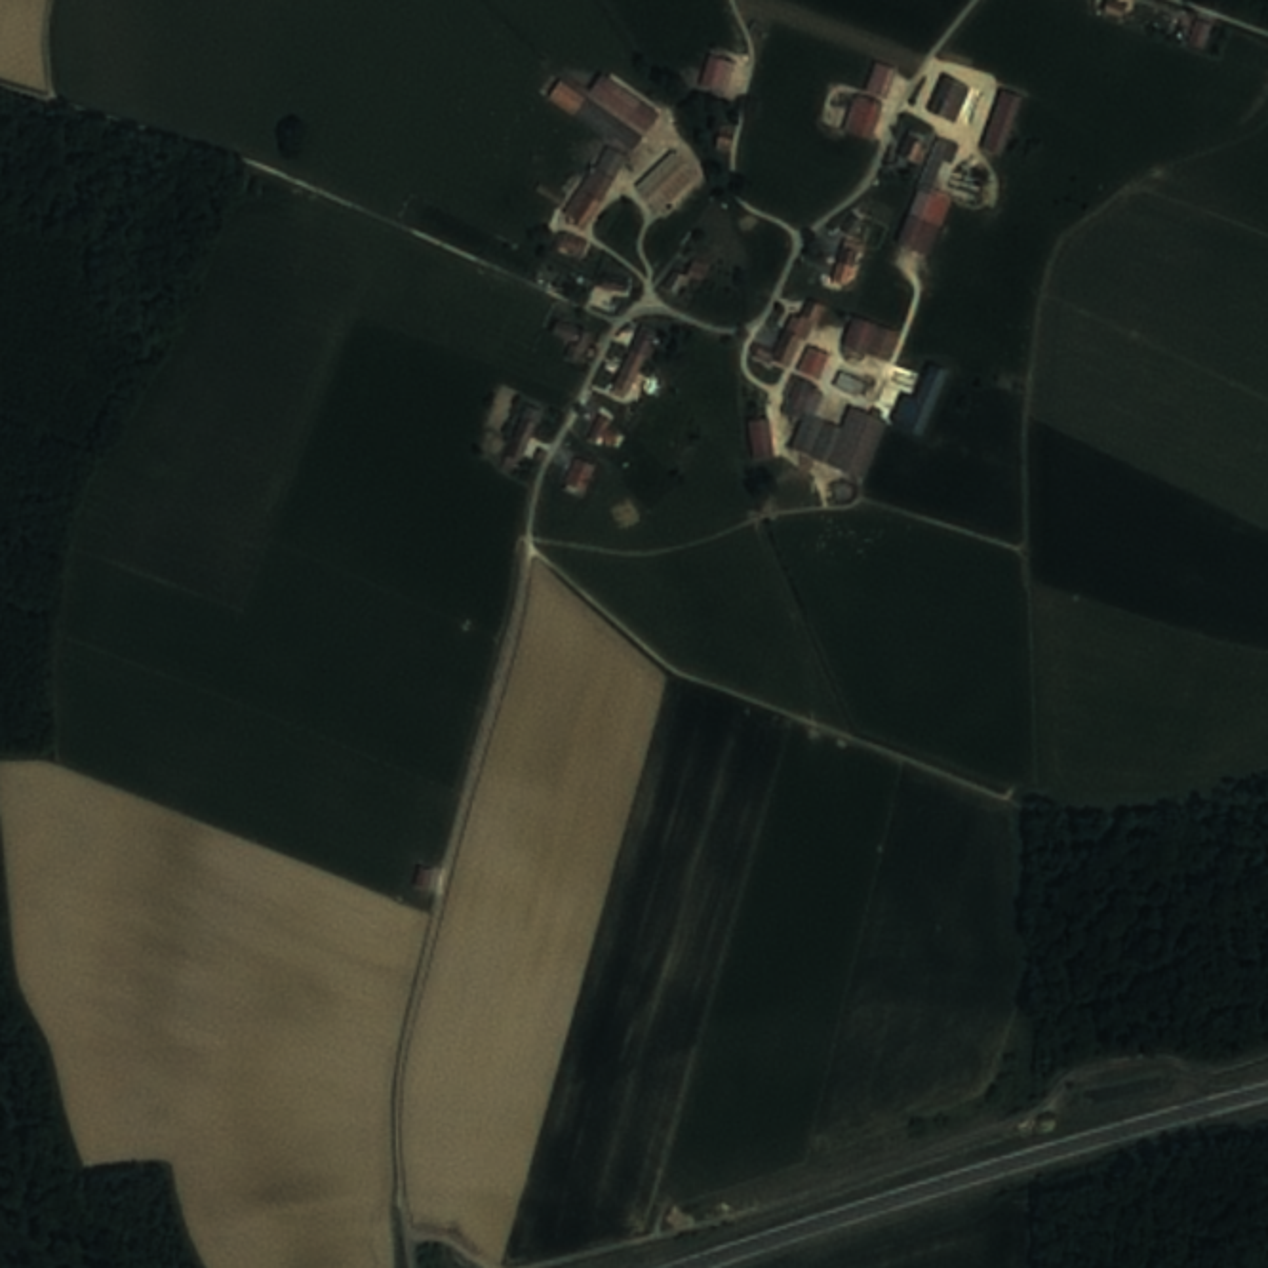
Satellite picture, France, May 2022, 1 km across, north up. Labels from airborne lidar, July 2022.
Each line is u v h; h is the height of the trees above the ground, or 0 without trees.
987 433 0
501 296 0
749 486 9
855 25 0
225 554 0
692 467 0
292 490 0
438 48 0
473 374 0
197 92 0
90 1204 19
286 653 0
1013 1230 0
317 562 0
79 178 6
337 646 0
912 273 0
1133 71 0
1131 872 20
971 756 0
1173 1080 0
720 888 0
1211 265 0
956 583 0
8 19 0
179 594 0
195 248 22
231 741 0
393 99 0
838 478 0
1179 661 0
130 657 0
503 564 0
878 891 0
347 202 0
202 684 0
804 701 0
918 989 0
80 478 22
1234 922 15
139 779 0
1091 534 0
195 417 0
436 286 0
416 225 0
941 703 0
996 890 0
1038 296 0
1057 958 25
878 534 0
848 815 0
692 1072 0
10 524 23
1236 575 0
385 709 0
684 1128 0
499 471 0
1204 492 0
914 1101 0
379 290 0
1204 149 0
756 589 0
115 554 0
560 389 0
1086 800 0
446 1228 0
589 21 0
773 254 0
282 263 0
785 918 0
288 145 16
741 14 0
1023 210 0
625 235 0
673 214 0
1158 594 0
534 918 0
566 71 0
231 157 13
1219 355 0
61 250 12
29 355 9
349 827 0
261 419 0
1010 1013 0
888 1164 0
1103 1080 0
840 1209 0
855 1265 0
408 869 0
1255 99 0
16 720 22
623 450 0
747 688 0
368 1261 0
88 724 0
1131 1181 23
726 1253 0
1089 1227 21
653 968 0
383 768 0
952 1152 0
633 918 0
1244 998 18
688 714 0
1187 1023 19
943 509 0
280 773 0
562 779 0
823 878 0
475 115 0
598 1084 0
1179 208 0
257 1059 0
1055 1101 0
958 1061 0
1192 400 0
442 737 0
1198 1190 26
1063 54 0
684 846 0
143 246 22
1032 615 0
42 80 0
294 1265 0
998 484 0
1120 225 0
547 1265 0
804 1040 0
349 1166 0
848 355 0
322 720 0
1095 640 0
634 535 0
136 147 23
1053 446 0
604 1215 0
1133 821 12
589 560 0
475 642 0
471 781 0
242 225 0
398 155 0
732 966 0
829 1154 0
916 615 0
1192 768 0
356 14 0
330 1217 0
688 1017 0
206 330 0
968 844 0
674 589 0
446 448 0
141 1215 16
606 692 0
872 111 0
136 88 0
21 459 19
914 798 0
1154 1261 17
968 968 0
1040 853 17
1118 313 0
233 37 0
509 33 0
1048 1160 0
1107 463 0
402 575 0
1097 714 0
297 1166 0
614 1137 0
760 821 0
